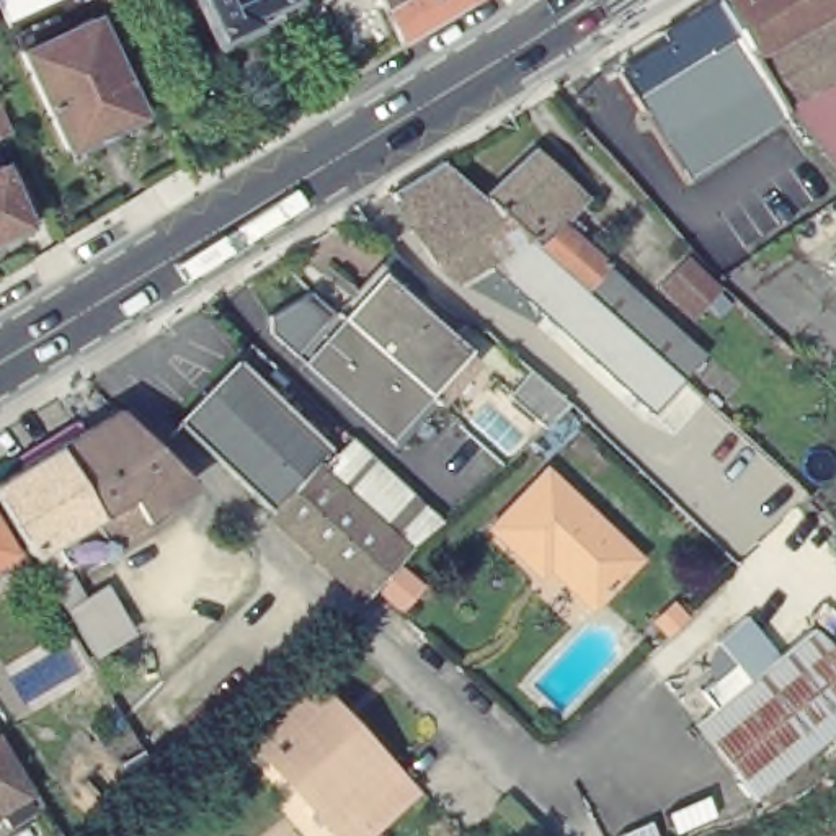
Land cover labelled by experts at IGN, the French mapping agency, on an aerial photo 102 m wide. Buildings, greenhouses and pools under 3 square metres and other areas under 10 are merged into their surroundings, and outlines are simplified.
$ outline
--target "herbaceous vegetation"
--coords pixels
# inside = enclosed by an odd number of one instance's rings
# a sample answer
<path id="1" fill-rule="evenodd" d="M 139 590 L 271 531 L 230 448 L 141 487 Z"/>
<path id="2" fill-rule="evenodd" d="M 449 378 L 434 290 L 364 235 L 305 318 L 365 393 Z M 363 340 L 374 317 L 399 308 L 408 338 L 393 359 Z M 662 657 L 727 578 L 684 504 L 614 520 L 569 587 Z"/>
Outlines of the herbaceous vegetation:
<path id="1" fill-rule="evenodd" d="M 98 676 L 78 692 L 69 692 L 59 702 L 20 722 L 13 718 L 0 725 L 0 738 L 16 754 L 33 794 L 46 803 L 46 816 L 59 836 L 72 836 L 78 816 L 95 807 L 95 797 L 111 790 L 114 774 L 147 761 L 147 751 L 137 745 L 131 732 L 101 745 L 95 732 L 95 712 L 108 705 L 111 699 L 105 696 Z"/>
<path id="2" fill-rule="evenodd" d="M 336 699 L 349 705 L 382 673 L 369 660 L 356 679 L 340 683 Z"/>
<path id="3" fill-rule="evenodd" d="M 402 767 L 415 761 L 408 738 L 415 738 L 418 732 L 421 709 L 398 689 L 389 689 L 361 718 Z"/>
<path id="4" fill-rule="evenodd" d="M 523 147 L 539 140 L 542 131 L 532 124 L 529 111 L 519 111 L 516 118 L 487 131 L 480 140 L 444 153 L 447 163 L 477 189 L 490 193 L 496 186 L 493 173 L 506 167 Z"/>
<path id="5" fill-rule="evenodd" d="M 673 222 L 634 183 L 637 173 L 643 173 L 653 183 L 653 189 L 660 189 L 676 173 L 663 157 L 660 144 L 653 140 L 630 160 L 634 170 L 624 173 L 614 163 L 614 157 L 568 114 L 568 108 L 552 98 L 552 111 L 571 127 L 565 144 L 588 163 L 588 170 L 604 186 L 620 180 L 630 189 L 630 202 L 624 209 L 614 209 L 604 199 L 591 199 L 588 216 L 578 216 L 575 229 L 575 235 L 588 242 L 594 235 L 607 235 L 617 229 L 627 229 L 630 235 L 643 216 L 656 212 L 656 235 L 673 258 L 689 255 Z"/>
<path id="6" fill-rule="evenodd" d="M 679 581 L 669 562 L 673 542 L 683 555 L 696 562 L 715 562 L 732 575 L 738 571 L 738 565 L 728 558 L 732 545 L 715 532 L 696 536 L 689 529 L 689 519 L 683 519 L 660 493 L 637 480 L 637 474 L 620 457 L 604 460 L 601 451 L 581 434 L 581 425 L 568 415 L 558 421 L 555 431 L 536 434 L 529 438 L 529 444 L 519 454 L 513 454 L 503 467 L 496 467 L 467 503 L 460 503 L 451 516 L 441 519 L 441 529 L 415 549 L 408 565 L 408 571 L 425 581 L 434 571 L 457 571 L 470 578 L 470 591 L 460 598 L 434 594 L 428 588 L 421 601 L 408 607 L 411 624 L 425 630 L 431 624 L 441 624 L 457 643 L 464 643 L 464 653 L 493 640 L 506 604 L 529 581 L 529 575 L 519 568 L 503 581 L 483 578 L 477 568 L 483 562 L 483 552 L 493 545 L 493 523 L 542 474 L 555 470 L 647 555 L 640 575 L 630 578 L 630 585 L 611 604 L 630 630 L 653 620 L 666 607 L 679 604 Z"/>
<path id="7" fill-rule="evenodd" d="M 307 278 L 310 265 L 310 255 L 284 251 L 274 265 L 248 278 L 251 291 L 268 300 L 265 307 L 271 317 L 294 307 L 297 300 L 314 304 L 320 310 L 330 307 L 333 314 L 349 314 L 349 304 L 333 294 L 327 281 Z"/>
<path id="8" fill-rule="evenodd" d="M 761 826 L 771 823 L 764 816 L 754 816 L 741 826 L 712 823 L 683 836 L 754 836 Z"/>
<path id="9" fill-rule="evenodd" d="M 281 787 L 265 780 L 245 807 L 238 836 L 261 836 L 284 816 L 287 797 Z"/>
<path id="10" fill-rule="evenodd" d="M 532 611 L 523 611 L 516 643 L 487 669 L 506 689 L 519 689 L 519 683 L 558 643 L 552 630 L 539 630 L 539 617 L 549 611 L 545 601 L 542 601 Z"/>
<path id="11" fill-rule="evenodd" d="M 69 153 L 59 150 L 52 134 L 42 140 L 42 153 L 26 153 L 7 140 L 0 140 L 0 167 L 13 167 L 20 173 L 33 206 L 42 212 L 42 222 L 49 229 L 57 229 L 121 183 L 108 170 L 108 157 L 98 150 L 82 167 L 72 167 Z"/>
<path id="12" fill-rule="evenodd" d="M 20 52 L 7 42 L 7 29 L 13 23 L 0 16 L 0 75 L 13 91 L 16 114 L 39 111 L 36 95 L 20 69 Z"/>
<path id="13" fill-rule="evenodd" d="M 16 656 L 36 647 L 23 624 L 13 624 L 0 611 L 0 660 L 13 663 Z"/>
<path id="14" fill-rule="evenodd" d="M 121 140 L 121 157 L 127 170 L 140 176 L 144 173 L 144 134 Z"/>
<path id="15" fill-rule="evenodd" d="M 447 807 L 441 807 L 441 797 L 428 803 L 421 800 L 408 813 L 402 813 L 385 829 L 385 836 L 454 836 L 457 833 L 444 820 Z"/>
<path id="16" fill-rule="evenodd" d="M 745 434 L 784 474 L 803 483 L 803 516 L 810 513 L 820 519 L 823 513 L 829 513 L 836 519 L 836 392 L 815 376 L 810 382 L 794 382 L 794 359 L 780 349 L 777 340 L 767 340 L 764 327 L 751 320 L 745 310 L 705 314 L 696 323 L 656 287 L 624 255 L 614 251 L 604 258 L 637 294 L 643 294 L 666 320 L 673 320 L 699 349 L 709 353 L 712 362 L 735 379 L 732 405 L 725 405 L 722 411 L 728 421 L 741 421 Z"/>

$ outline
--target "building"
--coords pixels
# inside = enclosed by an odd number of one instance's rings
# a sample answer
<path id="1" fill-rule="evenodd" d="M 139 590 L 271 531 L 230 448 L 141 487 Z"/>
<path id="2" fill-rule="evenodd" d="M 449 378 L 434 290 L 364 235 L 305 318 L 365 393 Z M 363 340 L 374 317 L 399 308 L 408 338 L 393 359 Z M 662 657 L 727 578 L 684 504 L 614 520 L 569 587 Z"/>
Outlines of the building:
<path id="1" fill-rule="evenodd" d="M 415 780 L 408 780 L 402 767 L 361 718 L 349 712 L 349 705 L 336 699 L 304 699 L 284 715 L 284 722 L 258 751 L 258 767 L 265 780 L 281 787 L 287 797 L 307 797 L 314 813 L 336 836 L 385 836 L 385 829 L 402 813 L 408 813 L 421 800 Z"/>
<path id="2" fill-rule="evenodd" d="M 271 317 L 265 323 L 265 336 L 336 408 L 343 408 L 353 421 L 366 425 L 392 451 L 411 434 L 431 438 L 431 421 L 451 421 L 460 425 L 460 438 L 496 467 L 503 467 L 513 454 L 503 454 L 487 434 L 474 428 L 474 421 L 464 411 L 467 405 L 464 389 L 474 385 L 483 353 L 474 349 L 454 327 L 447 327 L 428 304 L 421 304 L 398 278 L 392 278 L 389 268 L 369 278 L 362 287 L 356 287 L 333 268 L 317 271 L 310 265 L 307 278 L 327 281 L 333 294 L 349 304 L 349 314 L 333 314 L 330 307 L 320 310 L 314 304 L 297 300 L 294 307 Z"/>
<path id="3" fill-rule="evenodd" d="M 33 794 L 16 754 L 0 738 L 0 836 L 59 836 L 46 816 L 46 803 Z"/>
<path id="4" fill-rule="evenodd" d="M 712 823 L 715 803 L 692 803 L 673 816 L 676 836 L 683 836 Z"/>
<path id="5" fill-rule="evenodd" d="M 278 392 L 248 362 L 232 366 L 222 376 L 222 382 L 183 418 L 183 431 L 209 454 L 212 464 L 229 464 L 245 483 L 251 483 L 248 500 L 258 506 L 258 529 L 284 529 L 284 536 L 297 542 L 310 555 L 310 562 L 327 568 L 333 585 L 346 585 L 349 591 L 366 598 L 385 598 L 385 604 L 392 607 L 408 607 L 421 601 L 428 588 L 425 581 L 408 571 L 408 565 L 415 549 L 441 529 L 441 519 L 359 441 L 340 451 L 284 392 Z"/>
<path id="6" fill-rule="evenodd" d="M 666 607 L 653 620 L 656 630 L 663 630 L 666 643 L 689 630 L 696 611 L 686 611 L 679 604 Z"/>
<path id="7" fill-rule="evenodd" d="M 111 699 L 108 705 L 111 718 L 121 718 L 131 732 L 137 745 L 147 751 L 157 741 L 150 738 L 150 728 L 137 718 L 124 696 Z"/>
<path id="8" fill-rule="evenodd" d="M 134 640 L 134 624 L 118 604 L 114 591 L 85 594 L 78 585 L 78 571 L 95 565 L 111 571 L 121 555 L 134 558 L 147 545 L 160 545 L 163 532 L 170 532 L 183 519 L 183 513 L 199 496 L 202 474 L 189 470 L 127 411 L 91 428 L 65 451 L 52 454 L 49 460 L 36 464 L 33 470 L 23 470 L 20 477 L 0 487 L 0 571 L 10 571 L 13 565 L 33 555 L 39 562 L 56 562 L 65 575 L 65 607 L 75 617 L 78 630 L 88 637 L 95 653 L 105 656 L 111 653 Z"/>
<path id="9" fill-rule="evenodd" d="M 660 836 L 656 826 L 643 826 L 627 836 Z"/>
<path id="10" fill-rule="evenodd" d="M 676 268 L 656 287 L 696 323 L 705 314 L 745 310 L 751 320 L 764 327 L 767 340 L 777 340 L 780 349 L 794 359 L 803 346 L 787 346 L 794 330 L 777 323 L 745 287 L 738 287 L 728 300 L 722 287 L 689 255 L 673 258 Z"/>
<path id="11" fill-rule="evenodd" d="M 7 140 L 10 121 L 0 108 L 0 140 Z"/>
<path id="12" fill-rule="evenodd" d="M 503 549 L 519 568 L 529 575 L 529 581 L 542 601 L 545 601 L 568 588 L 591 614 L 611 604 L 630 585 L 630 578 L 640 575 L 647 555 L 555 470 L 542 474 L 493 523 L 493 545 Z"/>
<path id="13" fill-rule="evenodd" d="M 673 487 L 666 487 L 660 493 L 683 519 L 689 519 L 689 529 L 696 536 L 715 532 L 692 503 L 686 503 Z"/>
<path id="14" fill-rule="evenodd" d="M 72 167 L 82 167 L 98 150 L 121 140 L 144 134 L 144 127 L 153 121 L 153 91 L 150 82 L 140 82 L 127 62 L 121 39 L 127 33 L 114 13 L 88 20 L 36 46 L 33 52 L 20 52 L 20 69 L 36 95 L 39 111 L 52 134 L 59 150 L 69 153 Z"/>
<path id="15" fill-rule="evenodd" d="M 630 56 L 611 56 L 598 69 L 601 78 L 620 85 L 620 91 L 634 105 L 637 131 L 653 134 L 653 140 L 660 144 L 663 157 L 676 173 L 683 183 L 709 176 L 761 137 L 780 131 L 784 114 L 794 114 L 810 134 L 810 147 L 823 150 L 823 176 L 836 170 L 836 0 L 699 0 L 666 23 L 663 39 Z"/>
<path id="16" fill-rule="evenodd" d="M 558 421 L 568 415 L 568 402 L 578 398 L 578 389 L 562 372 L 555 372 L 519 340 L 506 356 L 519 369 L 519 376 L 506 376 L 496 392 L 506 392 L 513 398 L 513 405 L 532 421 L 536 434 L 555 431 Z"/>
<path id="17" fill-rule="evenodd" d="M 42 222 L 42 212 L 33 206 L 20 173 L 13 167 L 0 167 L 0 255 L 16 245 L 36 242 L 36 225 Z"/>
<path id="18" fill-rule="evenodd" d="M 709 353 L 699 349 L 673 320 L 666 320 L 643 294 L 637 294 L 604 258 L 588 242 L 575 235 L 575 229 L 578 216 L 588 216 L 591 199 L 549 153 L 539 150 L 539 140 L 523 147 L 506 167 L 493 173 L 496 186 L 490 193 L 477 189 L 447 163 L 438 173 L 415 183 L 411 189 L 402 189 L 402 202 L 395 202 L 385 212 L 398 219 L 402 235 L 418 232 L 431 245 L 431 251 L 447 268 L 447 274 L 441 278 L 444 284 L 447 278 L 467 281 L 503 261 L 509 281 L 542 307 L 542 320 L 562 330 L 650 415 L 663 415 L 689 389 L 686 379 L 696 376 L 699 362 Z"/>
<path id="19" fill-rule="evenodd" d="M 722 767 L 732 774 L 735 787 L 748 800 L 767 797 L 777 784 L 784 784 L 797 767 L 803 767 L 820 751 L 836 758 L 836 643 L 826 637 L 826 624 L 807 624 L 800 634 L 784 640 L 774 620 L 758 630 L 754 617 L 745 614 L 735 627 L 722 630 L 722 640 L 712 653 L 699 656 L 705 689 L 702 705 L 712 709 L 709 718 L 699 725 L 705 741 L 712 745 L 712 754 L 722 761 Z"/>
<path id="20" fill-rule="evenodd" d="M 327 33 L 340 39 L 343 56 L 359 69 L 385 49 L 392 49 L 395 42 L 402 42 L 405 49 L 415 46 L 428 29 L 457 20 L 464 10 L 483 0 L 196 0 L 219 49 L 242 49 L 251 33 L 271 33 L 294 13 L 307 13 L 310 23 L 323 20 Z"/>

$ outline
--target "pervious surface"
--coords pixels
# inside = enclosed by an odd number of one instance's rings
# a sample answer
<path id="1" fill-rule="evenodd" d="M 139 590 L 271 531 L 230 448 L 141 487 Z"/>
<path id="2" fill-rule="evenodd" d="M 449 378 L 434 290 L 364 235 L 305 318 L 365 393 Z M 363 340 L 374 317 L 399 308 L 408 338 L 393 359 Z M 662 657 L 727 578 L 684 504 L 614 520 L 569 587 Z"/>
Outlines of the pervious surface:
<path id="1" fill-rule="evenodd" d="M 216 545 L 209 536 L 196 532 L 183 519 L 170 532 L 163 532 L 160 545 L 147 545 L 134 558 L 121 555 L 111 571 L 95 565 L 78 571 L 78 585 L 85 594 L 114 591 L 118 604 L 134 624 L 134 640 L 111 653 L 140 669 L 140 679 L 124 696 L 137 718 L 150 728 L 150 738 L 157 741 L 163 738 L 163 732 L 193 718 L 212 692 L 229 689 L 229 679 L 238 679 L 251 666 L 258 666 L 261 656 L 291 634 L 291 627 L 314 604 L 291 578 L 284 578 L 274 565 L 261 562 L 261 555 L 251 545 L 232 552 Z"/>
<path id="2" fill-rule="evenodd" d="M 820 519 L 810 513 L 803 516 L 803 483 L 784 474 L 745 434 L 741 421 L 728 421 L 722 411 L 715 411 L 702 398 L 696 415 L 679 431 L 647 428 L 594 379 L 578 376 L 568 356 L 542 336 L 539 323 L 523 320 L 509 310 L 506 320 L 496 327 L 444 284 L 441 278 L 447 274 L 447 268 L 431 251 L 431 245 L 418 232 L 402 235 L 402 242 L 415 255 L 389 268 L 392 278 L 398 278 L 421 304 L 428 304 L 447 327 L 454 327 L 474 349 L 483 353 L 500 349 L 506 356 L 519 340 L 555 372 L 562 372 L 578 389 L 578 398 L 568 402 L 568 415 L 581 425 L 604 421 L 666 487 L 673 487 L 686 503 L 692 503 L 715 532 L 732 545 L 728 558 L 738 565 L 738 571 L 732 575 L 722 585 L 722 591 L 696 611 L 689 630 L 666 643 L 653 650 L 647 663 L 660 676 L 663 692 L 676 699 L 699 725 L 709 718 L 712 709 L 702 705 L 705 689 L 699 656 L 712 653 L 722 640 L 722 630 L 735 627 L 745 614 L 754 617 L 758 630 L 774 620 L 784 640 L 800 634 L 807 624 L 826 624 L 826 637 L 836 643 L 836 519 L 829 513 L 823 513 Z"/>
<path id="3" fill-rule="evenodd" d="M 532 105 L 529 111 L 532 124 L 542 131 L 539 140 L 539 150 L 549 153 L 591 199 L 604 199 L 614 209 L 624 209 L 630 202 L 630 189 L 620 180 L 604 186 L 588 170 L 588 163 L 565 144 L 571 127 L 552 111 L 552 98 Z"/>
<path id="4" fill-rule="evenodd" d="M 673 258 L 656 235 L 656 212 L 643 216 L 630 235 L 624 255 L 656 287 L 676 268 Z"/>
<path id="5" fill-rule="evenodd" d="M 523 611 L 532 611 L 542 601 L 529 581 L 506 604 L 493 640 L 464 653 L 454 666 L 467 676 L 474 666 L 487 669 L 516 643 Z"/>
<path id="6" fill-rule="evenodd" d="M 78 692 L 98 676 L 95 669 L 105 656 L 95 653 L 88 637 L 78 630 L 72 634 L 69 653 L 75 673 L 49 686 L 46 692 L 26 699 L 16 692 L 16 676 L 46 660 L 46 653 L 42 647 L 36 647 L 16 656 L 13 663 L 0 660 L 0 725 L 13 718 L 20 722 L 59 702 L 69 692 Z"/>

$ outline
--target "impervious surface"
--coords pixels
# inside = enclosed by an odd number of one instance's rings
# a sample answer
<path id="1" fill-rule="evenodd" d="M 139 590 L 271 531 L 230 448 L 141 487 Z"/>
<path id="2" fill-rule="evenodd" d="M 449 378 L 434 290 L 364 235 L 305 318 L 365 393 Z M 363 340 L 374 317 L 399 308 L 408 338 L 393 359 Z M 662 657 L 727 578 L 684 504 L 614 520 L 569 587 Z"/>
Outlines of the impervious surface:
<path id="1" fill-rule="evenodd" d="M 444 820 L 457 833 L 474 833 L 474 823 L 487 820 L 496 800 L 506 790 L 513 790 L 513 800 L 529 816 L 536 816 L 539 810 L 558 813 L 562 829 L 575 836 L 627 836 L 643 826 L 656 826 L 660 836 L 676 836 L 673 816 L 692 803 L 715 803 L 712 823 L 741 826 L 754 816 L 764 816 L 780 807 L 800 803 L 810 790 L 829 790 L 836 777 L 836 758 L 820 751 L 803 767 L 797 767 L 784 784 L 777 784 L 767 797 L 748 800 L 735 787 L 732 774 L 722 767 L 722 761 L 712 754 L 712 745 L 705 741 L 699 725 L 676 699 L 663 692 L 660 676 L 647 663 L 571 735 L 565 735 L 555 745 L 532 741 L 506 709 L 490 705 L 477 689 L 470 689 L 467 676 L 454 666 L 441 663 L 434 650 L 425 647 L 425 630 L 411 624 L 408 607 L 392 607 L 385 604 L 385 598 L 366 598 L 349 591 L 346 585 L 333 585 L 327 568 L 310 562 L 310 555 L 297 542 L 284 536 L 284 529 L 258 529 L 258 506 L 248 500 L 251 483 L 245 483 L 229 464 L 212 464 L 209 454 L 183 431 L 183 418 L 222 382 L 222 376 L 232 366 L 248 362 L 278 392 L 284 392 L 340 451 L 359 441 L 441 519 L 451 516 L 460 503 L 467 503 L 496 467 L 460 438 L 460 425 L 451 421 L 431 421 L 431 438 L 411 434 L 392 451 L 366 425 L 353 421 L 343 408 L 336 408 L 265 336 L 265 323 L 271 317 L 265 307 L 268 300 L 251 291 L 248 278 L 274 265 L 284 251 L 310 255 L 310 265 L 317 271 L 333 268 L 356 287 L 362 287 L 369 278 L 389 268 L 415 255 L 402 242 L 402 235 L 398 219 L 385 212 L 395 202 L 402 202 L 402 189 L 411 189 L 415 183 L 438 173 L 447 163 L 444 153 L 480 140 L 487 131 L 516 118 L 519 111 L 529 111 L 532 105 L 552 98 L 568 108 L 568 114 L 614 157 L 614 163 L 624 173 L 634 170 L 630 160 L 653 140 L 653 134 L 637 131 L 634 105 L 620 91 L 620 85 L 601 78 L 598 69 L 611 56 L 630 56 L 663 39 L 666 23 L 699 0 L 483 0 L 464 10 L 457 20 L 428 29 L 415 46 L 405 49 L 402 42 L 395 42 L 392 49 L 385 49 L 359 69 L 353 75 L 353 88 L 333 108 L 300 114 L 287 124 L 287 131 L 268 137 L 251 153 L 229 160 L 225 167 L 176 173 L 173 160 L 167 160 L 144 173 L 140 176 L 127 170 L 121 157 L 121 140 L 98 150 L 108 157 L 108 170 L 121 183 L 131 186 L 134 199 L 98 216 L 69 238 L 57 229 L 49 229 L 42 222 L 36 225 L 36 242 L 39 258 L 0 278 L 0 487 L 20 477 L 23 470 L 33 470 L 36 464 L 49 460 L 52 454 L 65 451 L 91 428 L 127 411 L 189 470 L 202 474 L 199 496 L 183 513 L 183 519 L 196 532 L 209 536 L 212 519 L 219 526 L 238 519 L 242 529 L 255 536 L 251 545 L 261 555 L 261 562 L 274 565 L 284 578 L 291 578 L 314 604 L 323 601 L 327 607 L 333 607 L 346 620 L 346 627 L 369 627 L 376 634 L 369 660 L 382 673 L 349 705 L 349 712 L 361 718 L 389 689 L 398 689 L 421 709 L 418 732 L 415 738 L 408 738 L 415 761 L 402 767 L 408 780 L 415 780 L 421 800 L 428 803 L 441 797 L 441 807 L 447 807 Z M 359 219 L 372 232 L 385 235 L 389 255 L 379 258 L 376 251 L 366 251 L 356 242 L 343 238 L 343 219 Z"/>
<path id="2" fill-rule="evenodd" d="M 513 405 L 513 398 L 506 392 L 496 392 L 506 376 L 519 376 L 519 369 L 506 356 L 500 349 L 483 353 L 474 385 L 464 389 L 467 405 L 496 408 L 516 431 L 529 438 L 536 434 L 532 421 Z"/>
<path id="3" fill-rule="evenodd" d="M 36 46 L 88 20 L 114 13 L 108 0 L 62 0 L 49 10 L 39 10 L 13 23 L 7 29 L 7 42 L 20 52 L 33 52 Z"/>
<path id="4" fill-rule="evenodd" d="M 287 797 L 284 816 L 261 836 L 336 836 L 314 813 L 307 797 Z"/>
<path id="5" fill-rule="evenodd" d="M 699 362 L 696 376 L 686 379 L 689 389 L 663 415 L 650 415 L 562 330 L 542 320 L 542 307 L 509 281 L 503 261 L 467 281 L 447 278 L 444 284 L 496 327 L 506 320 L 509 310 L 523 320 L 539 323 L 542 336 L 568 356 L 578 376 L 594 379 L 647 428 L 679 431 L 696 415 L 702 398 L 715 411 L 722 411 L 725 405 L 732 405 L 735 379 L 712 362 L 709 353 Z"/>
<path id="6" fill-rule="evenodd" d="M 611 663 L 598 669 L 562 709 L 562 715 L 568 715 L 571 709 L 578 709 L 581 699 L 637 643 L 650 643 L 653 650 L 666 643 L 663 630 L 656 630 L 653 620 L 630 630 L 611 604 L 591 614 L 568 588 L 545 601 L 549 611 L 539 617 L 539 630 L 552 630 L 558 643 L 519 683 L 519 689 L 529 702 L 545 705 L 549 696 L 539 686 L 542 676 L 585 634 L 604 630 L 614 643 Z"/>
<path id="7" fill-rule="evenodd" d="M 761 137 L 709 176 L 683 183 L 676 173 L 660 189 L 653 189 L 653 183 L 643 173 L 637 173 L 634 183 L 673 222 L 689 255 L 722 287 L 728 300 L 738 287 L 745 287 L 777 323 L 794 330 L 787 346 L 803 346 L 820 362 L 829 362 L 836 369 L 836 170 L 823 176 L 823 150 L 810 147 L 810 134 L 794 114 L 784 114 L 780 131 Z M 784 232 L 800 238 L 790 258 L 784 265 L 758 261 L 754 255 Z"/>

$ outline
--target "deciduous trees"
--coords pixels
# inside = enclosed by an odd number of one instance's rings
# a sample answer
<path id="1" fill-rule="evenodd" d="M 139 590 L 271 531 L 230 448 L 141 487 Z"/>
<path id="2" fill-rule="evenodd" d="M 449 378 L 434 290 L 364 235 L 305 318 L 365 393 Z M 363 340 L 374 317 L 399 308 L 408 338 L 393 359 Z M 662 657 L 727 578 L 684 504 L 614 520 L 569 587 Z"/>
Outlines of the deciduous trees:
<path id="1" fill-rule="evenodd" d="M 121 718 L 111 718 L 108 705 L 95 712 L 95 732 L 101 745 L 131 732 Z"/>
<path id="2" fill-rule="evenodd" d="M 815 376 L 836 392 L 836 369 L 829 362 L 820 362 L 803 346 L 794 359 L 794 382 L 810 382 Z"/>
<path id="3" fill-rule="evenodd" d="M 42 647 L 46 653 L 69 653 L 72 634 L 78 630 L 75 617 L 65 607 L 65 575 L 56 562 L 39 562 L 33 555 L 13 565 L 10 571 L 0 571 L 0 611 L 13 624 L 23 624 L 36 647 Z"/>
<path id="4" fill-rule="evenodd" d="M 627 229 L 617 229 L 607 235 L 594 235 L 588 242 L 604 258 L 614 251 L 624 255 L 630 235 Z"/>
<path id="5" fill-rule="evenodd" d="M 800 238 L 784 232 L 754 255 L 758 261 L 784 265 L 790 258 Z"/>
<path id="6" fill-rule="evenodd" d="M 379 258 L 389 255 L 385 235 L 372 232 L 359 219 L 343 219 L 343 238 L 356 242 L 366 251 L 376 251 Z"/>
<path id="7" fill-rule="evenodd" d="M 369 660 L 376 634 L 369 627 L 346 627 L 346 620 L 333 607 L 327 607 L 323 601 L 314 604 L 291 627 L 291 634 L 261 656 L 258 666 L 251 666 L 238 679 L 229 679 L 229 689 L 212 692 L 193 718 L 163 732 L 163 738 L 157 741 L 147 751 L 147 761 L 114 774 L 111 790 L 95 797 L 95 807 L 78 816 L 72 836 L 238 836 L 245 807 L 265 780 L 258 767 L 258 751 L 284 722 L 284 715 L 304 699 L 336 699 L 340 683 L 356 679 Z"/>
<path id="8" fill-rule="evenodd" d="M 715 562 L 696 562 L 683 555 L 673 542 L 669 562 L 679 581 L 679 604 L 686 611 L 696 611 L 722 591 L 722 585 L 732 575 Z"/>
<path id="9" fill-rule="evenodd" d="M 42 153 L 42 140 L 52 134 L 39 111 L 16 114 L 13 91 L 0 75 L 0 108 L 10 121 L 7 140 L 26 153 Z"/>
<path id="10" fill-rule="evenodd" d="M 434 571 L 425 581 L 428 588 L 434 594 L 460 598 L 470 591 L 470 578 L 457 571 Z"/>
<path id="11" fill-rule="evenodd" d="M 251 33 L 242 49 L 219 49 L 196 0 L 108 0 L 114 13 L 127 33 L 121 39 L 127 62 L 140 82 L 150 82 L 153 91 L 153 121 L 144 127 L 144 134 L 144 173 L 167 160 L 173 160 L 176 173 L 225 167 L 229 160 L 251 153 L 268 137 L 287 131 L 287 124 L 300 114 L 333 108 L 353 88 L 353 75 L 359 69 L 343 56 L 340 39 L 327 33 L 323 20 L 310 23 L 307 13 L 294 13 L 271 33 Z"/>
<path id="12" fill-rule="evenodd" d="M 519 568 L 503 549 L 493 545 L 483 552 L 483 562 L 477 568 L 483 578 L 503 581 Z"/>
<path id="13" fill-rule="evenodd" d="M 764 816 L 771 823 L 761 826 L 754 836 L 836 836 L 836 777 L 829 790 L 810 790 L 800 803 L 780 807 Z"/>
<path id="14" fill-rule="evenodd" d="M 251 545 L 255 536 L 242 529 L 238 519 L 219 526 L 212 519 L 209 536 L 216 545 L 232 552 Z"/>
<path id="15" fill-rule="evenodd" d="M 105 656 L 95 669 L 98 676 L 105 696 L 111 699 L 124 696 L 140 679 L 140 669 L 111 653 Z"/>

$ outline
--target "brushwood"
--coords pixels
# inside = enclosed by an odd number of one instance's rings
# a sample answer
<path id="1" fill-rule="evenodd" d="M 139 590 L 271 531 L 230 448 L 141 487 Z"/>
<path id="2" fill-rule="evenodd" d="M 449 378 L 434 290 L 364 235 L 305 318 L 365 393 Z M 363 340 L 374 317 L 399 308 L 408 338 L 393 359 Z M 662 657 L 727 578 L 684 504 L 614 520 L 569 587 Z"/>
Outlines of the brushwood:
<path id="1" fill-rule="evenodd" d="M 134 199 L 131 186 L 121 183 L 57 229 L 69 238 L 98 216 Z"/>
<path id="2" fill-rule="evenodd" d="M 474 833 L 457 833 L 454 836 L 575 836 L 562 829 L 558 813 L 539 810 L 536 816 L 529 816 L 513 800 L 513 790 L 506 790 L 496 800 L 487 820 L 474 823 Z"/>
<path id="3" fill-rule="evenodd" d="M 581 425 L 581 434 L 601 451 L 604 460 L 620 457 L 637 474 L 637 480 L 660 493 L 666 487 L 604 421 Z"/>
<path id="4" fill-rule="evenodd" d="M 506 709 L 532 741 L 555 745 L 565 735 L 571 735 L 647 663 L 653 650 L 650 643 L 637 643 L 581 699 L 578 709 L 571 709 L 568 715 L 562 715 L 562 709 L 545 705 L 529 702 L 519 689 L 506 689 L 487 669 L 474 666 L 467 676 L 470 689 L 477 689 L 490 705 Z"/>
<path id="5" fill-rule="evenodd" d="M 39 258 L 36 242 L 16 245 L 0 255 L 0 278 Z"/>
<path id="6" fill-rule="evenodd" d="M 434 650 L 441 663 L 454 666 L 464 653 L 464 643 L 457 643 L 441 624 L 431 624 L 425 630 L 425 647 Z"/>

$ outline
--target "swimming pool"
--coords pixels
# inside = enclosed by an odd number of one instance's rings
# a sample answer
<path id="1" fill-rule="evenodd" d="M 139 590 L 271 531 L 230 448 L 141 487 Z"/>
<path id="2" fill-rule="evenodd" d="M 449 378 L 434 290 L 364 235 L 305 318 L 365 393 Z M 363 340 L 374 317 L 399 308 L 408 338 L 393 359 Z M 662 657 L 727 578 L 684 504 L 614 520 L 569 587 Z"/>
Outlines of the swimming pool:
<path id="1" fill-rule="evenodd" d="M 529 438 L 516 431 L 496 408 L 467 405 L 464 411 L 474 421 L 474 428 L 487 434 L 503 454 L 513 454 L 519 454 L 529 444 Z"/>
<path id="2" fill-rule="evenodd" d="M 26 699 L 46 692 L 49 686 L 75 673 L 69 653 L 46 653 L 46 660 L 16 676 L 16 692 Z"/>
<path id="3" fill-rule="evenodd" d="M 62 0 L 0 0 L 0 16 L 13 23 L 39 10 L 49 10 Z"/>
<path id="4" fill-rule="evenodd" d="M 604 630 L 585 634 L 542 676 L 539 686 L 549 696 L 545 705 L 562 709 L 598 669 L 611 663 L 614 643 Z"/>

